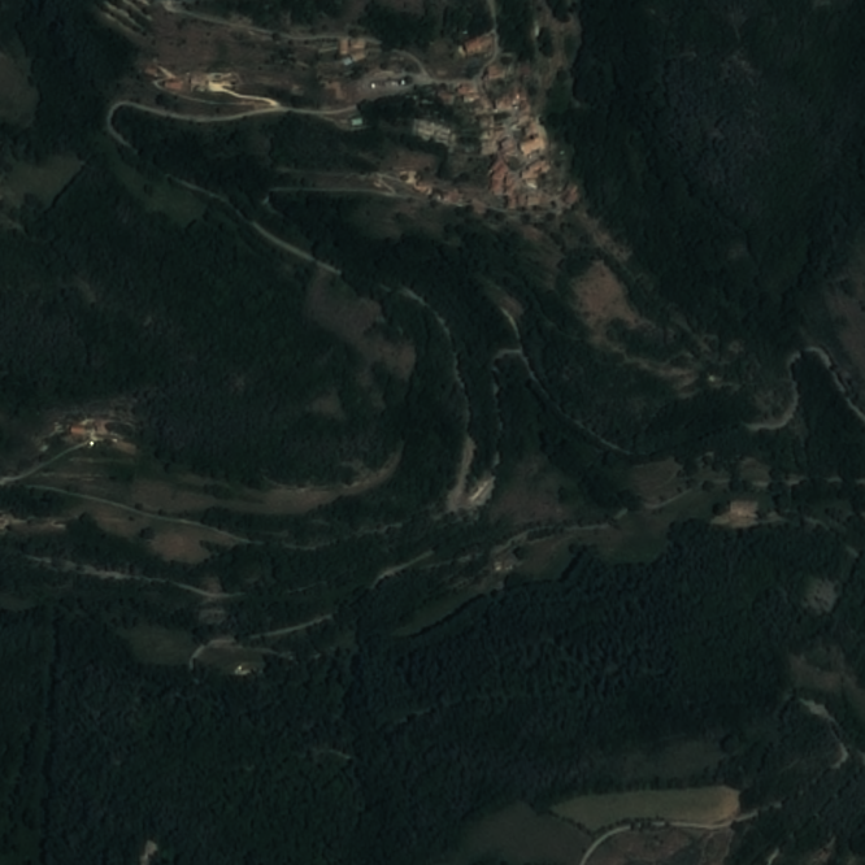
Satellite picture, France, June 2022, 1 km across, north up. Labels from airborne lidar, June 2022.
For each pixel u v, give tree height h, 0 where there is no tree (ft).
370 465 19
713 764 0
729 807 0
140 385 52
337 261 72
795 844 31
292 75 0
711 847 0
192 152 24
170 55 0
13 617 82
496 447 59
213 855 57
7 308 58
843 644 39
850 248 32
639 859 0
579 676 42
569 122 63
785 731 33
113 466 0
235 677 66
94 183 44
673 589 60
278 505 0
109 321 35
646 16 38
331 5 35
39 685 86
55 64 73
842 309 0
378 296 60
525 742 46
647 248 53
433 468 39
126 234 46
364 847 74
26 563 53
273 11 37
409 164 0
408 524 32
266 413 41
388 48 43
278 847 52
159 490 0
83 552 47
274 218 41
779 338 64
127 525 0
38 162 36
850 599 44
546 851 0
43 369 47
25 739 57
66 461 0
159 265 31
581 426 32
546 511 0
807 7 26
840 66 46
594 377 25
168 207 0
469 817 44
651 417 23
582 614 94
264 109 0
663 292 31
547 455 65
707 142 34
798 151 47
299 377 52
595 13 95
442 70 0
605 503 57
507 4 47
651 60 45
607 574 98
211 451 61
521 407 84
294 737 48
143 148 67
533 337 48
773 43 55
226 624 25
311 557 40
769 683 70
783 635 51
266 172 38
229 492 47
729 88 43
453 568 41
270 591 39
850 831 56
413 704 80
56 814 53
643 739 44
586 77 90
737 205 43
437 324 45
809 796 35
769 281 33
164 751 36
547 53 51
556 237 40
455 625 105
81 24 44
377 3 29
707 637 57
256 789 36
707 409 32
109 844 34
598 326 0
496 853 0
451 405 44
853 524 41
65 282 26
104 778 53
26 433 0
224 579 31
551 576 0
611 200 54
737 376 21
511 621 74
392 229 0
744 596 61
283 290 51
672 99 69
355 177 0
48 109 40
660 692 79
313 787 22
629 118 56
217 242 45
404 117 32
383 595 84
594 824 0
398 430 31
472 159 21
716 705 79
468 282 77
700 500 0
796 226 60
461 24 36
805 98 45
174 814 58
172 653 0
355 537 32
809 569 64
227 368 21
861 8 63
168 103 60
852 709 51
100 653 82
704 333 31
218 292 56
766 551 70
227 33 0
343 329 0
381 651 109
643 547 0
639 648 74
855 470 66
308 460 46
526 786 53
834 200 99
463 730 42
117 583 39
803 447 23
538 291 50
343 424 23
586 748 49
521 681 18
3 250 23
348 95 0
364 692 96
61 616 80
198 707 50
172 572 38
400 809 49
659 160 90
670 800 0
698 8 31
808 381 59
